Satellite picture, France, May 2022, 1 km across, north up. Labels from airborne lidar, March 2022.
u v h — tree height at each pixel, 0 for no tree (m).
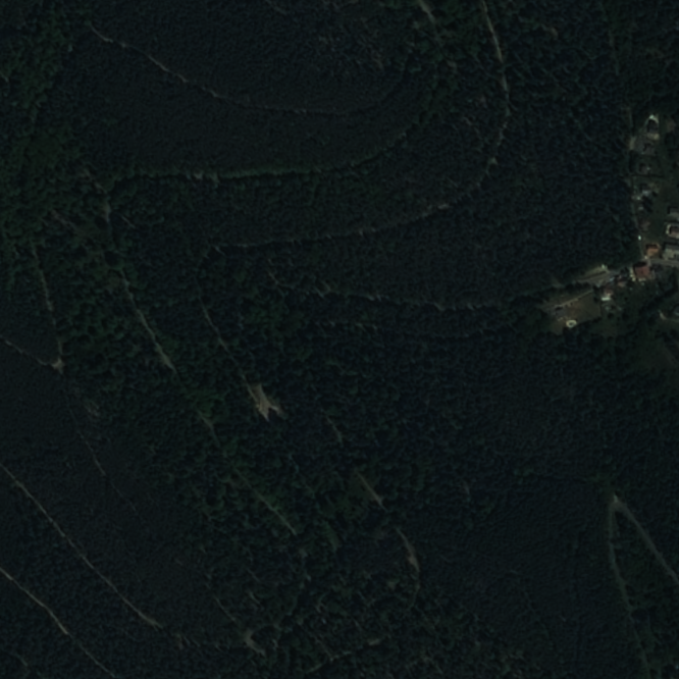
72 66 28
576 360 30
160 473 13
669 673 21
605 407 25
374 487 0
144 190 31
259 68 20
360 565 21
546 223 20
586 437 30
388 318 27
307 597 27
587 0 26
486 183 21
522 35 36
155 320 27
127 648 31
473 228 27
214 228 19
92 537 22
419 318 24
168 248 31
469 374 30
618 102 25
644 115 6
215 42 21
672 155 14
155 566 23
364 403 34
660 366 0
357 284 16
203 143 22
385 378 36
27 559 17
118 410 10
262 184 19
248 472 29
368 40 28
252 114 17
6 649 34
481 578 22
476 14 12
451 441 29
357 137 20
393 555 23
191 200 24
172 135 23
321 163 19
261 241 21
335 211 25
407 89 26
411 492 34
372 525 30
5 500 18
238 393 28
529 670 32
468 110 25
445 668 28
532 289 23
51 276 11
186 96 21
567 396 29
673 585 12
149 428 13
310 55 23
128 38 18
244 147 20
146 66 21
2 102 27
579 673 21
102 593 20
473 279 25
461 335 22
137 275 32
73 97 30
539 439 30
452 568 18
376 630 31
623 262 20
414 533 27
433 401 28
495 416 25
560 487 28
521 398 24
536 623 21
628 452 22
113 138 24
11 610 17
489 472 30
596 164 34
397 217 22
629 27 6
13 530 15
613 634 24
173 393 19
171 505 13
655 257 0
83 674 29
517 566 17
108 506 16
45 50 20
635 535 16
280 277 23
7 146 22
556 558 20
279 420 34
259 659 21
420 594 6
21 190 29
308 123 24
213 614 25
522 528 27
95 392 14
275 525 13
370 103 22
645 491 22
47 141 24
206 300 27
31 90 24
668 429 21
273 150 16
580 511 26
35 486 30
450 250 25
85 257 31
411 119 17
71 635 12
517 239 27
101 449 16
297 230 28
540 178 27
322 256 23
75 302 13
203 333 29
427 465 30
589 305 0
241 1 20
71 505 22
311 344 30
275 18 20
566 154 32
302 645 33
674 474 19
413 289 27
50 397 16
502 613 21
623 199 36
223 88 19
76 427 13
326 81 21
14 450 15
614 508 0
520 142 24
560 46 18
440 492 31
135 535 17
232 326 35
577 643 23
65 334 16
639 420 15
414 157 15
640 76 7
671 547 18
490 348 29
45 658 27
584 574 24
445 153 26
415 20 23
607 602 27
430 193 21
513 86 33
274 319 14
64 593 31
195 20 20
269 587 19
